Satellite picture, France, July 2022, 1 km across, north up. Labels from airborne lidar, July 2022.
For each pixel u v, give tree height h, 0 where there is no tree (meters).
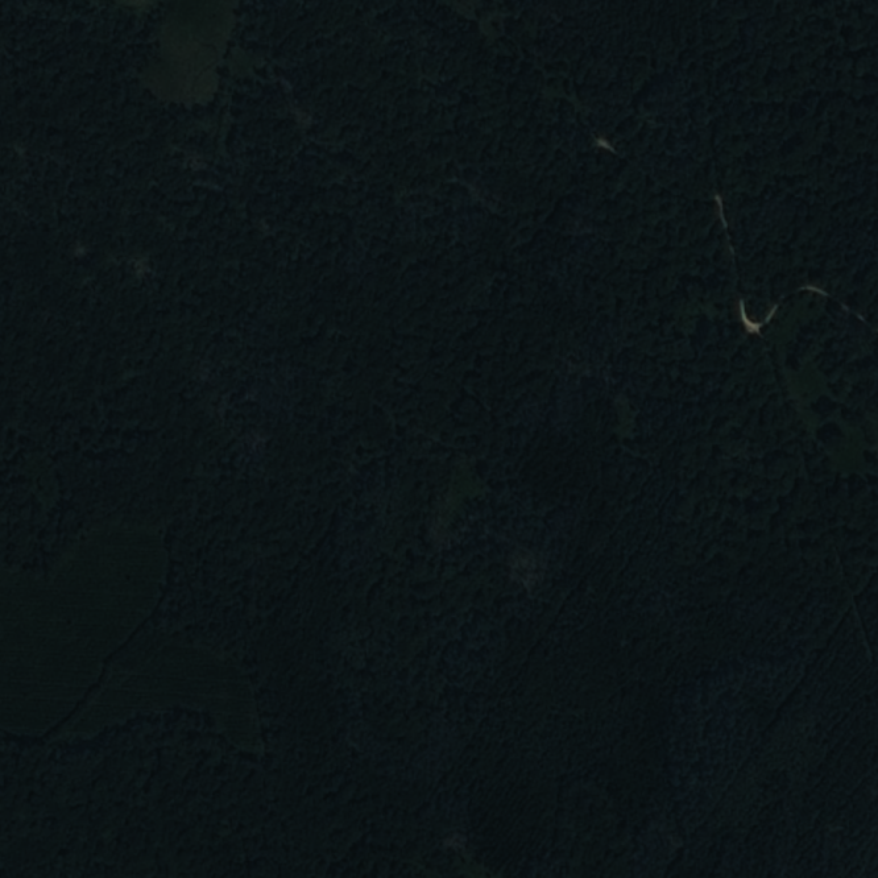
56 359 20
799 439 18
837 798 13
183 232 21
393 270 19
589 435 18
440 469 22
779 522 25
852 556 18
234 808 22
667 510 14
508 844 17
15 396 22
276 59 15
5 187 22
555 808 12
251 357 29
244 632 22
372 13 16
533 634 19
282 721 23
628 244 25
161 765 20
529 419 28
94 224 21
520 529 25
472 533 13
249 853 26
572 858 26
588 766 9
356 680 26
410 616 23
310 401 21
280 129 21
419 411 27
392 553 17
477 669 28
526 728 12
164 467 20
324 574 16
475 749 15
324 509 19
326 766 19
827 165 26
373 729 19
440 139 24
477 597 25
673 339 24
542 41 14
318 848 24
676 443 17
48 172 21
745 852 12
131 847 23
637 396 27
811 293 8
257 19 19
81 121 23
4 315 20
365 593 19
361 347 23
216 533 21
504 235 21
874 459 26
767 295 12
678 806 30
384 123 25
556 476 19
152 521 17
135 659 10
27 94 21
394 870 26
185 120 18
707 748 31
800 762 22
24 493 21
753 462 24
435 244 20
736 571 20
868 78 28
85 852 21
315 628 15
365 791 14
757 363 22
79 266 24
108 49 19
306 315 20
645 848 24
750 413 23
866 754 13
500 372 19
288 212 25
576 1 19
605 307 21
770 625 13
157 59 15
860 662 13
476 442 26
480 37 19
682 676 14
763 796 21
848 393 24
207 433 21
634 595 14
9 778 27
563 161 24
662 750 16
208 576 22
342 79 17
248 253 21
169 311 20
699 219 21
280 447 24
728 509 22
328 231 20
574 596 13
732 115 26
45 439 19
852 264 16
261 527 20
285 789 23
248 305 22
